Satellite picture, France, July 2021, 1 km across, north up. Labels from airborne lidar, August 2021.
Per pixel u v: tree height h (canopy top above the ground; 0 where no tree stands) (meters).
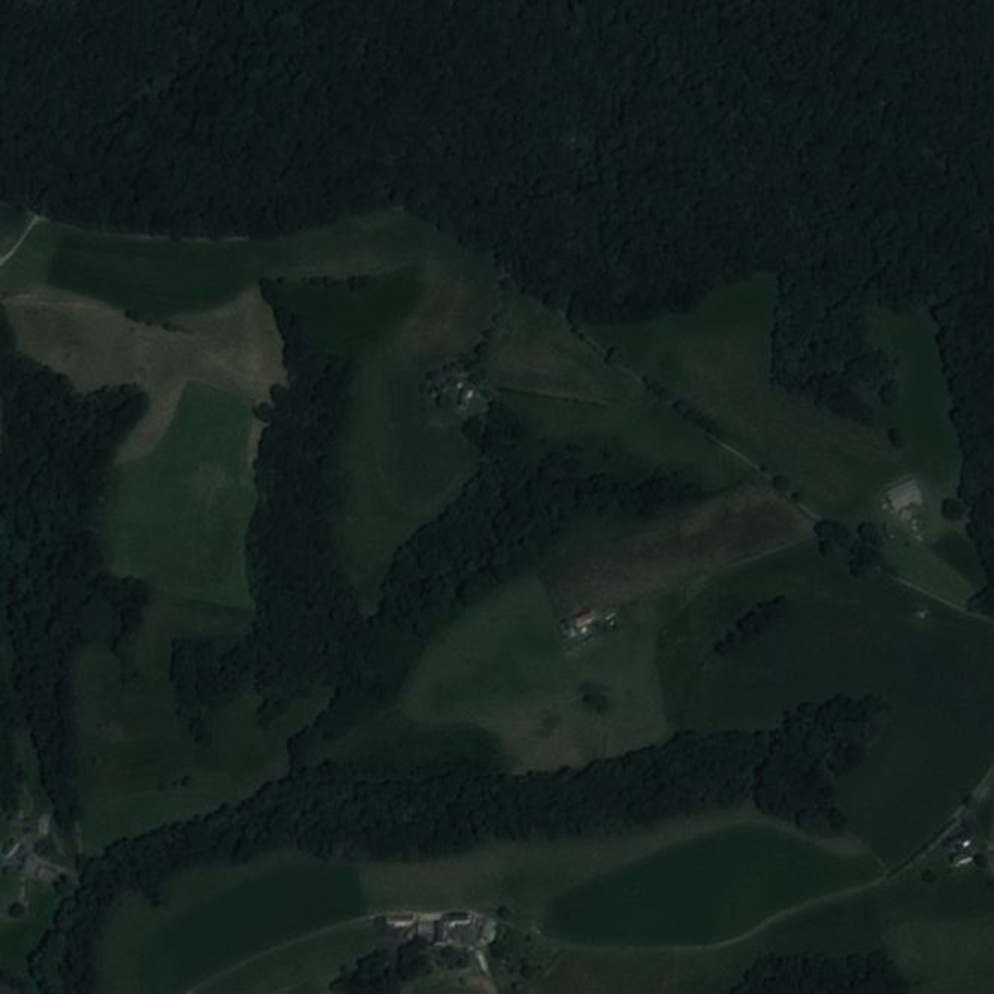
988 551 14
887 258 24
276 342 0
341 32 23
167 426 0
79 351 0
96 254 0
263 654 9
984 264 16
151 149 20
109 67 23
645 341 0
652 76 23
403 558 11
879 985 18
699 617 0
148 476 0
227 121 16
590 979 0
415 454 0
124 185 21
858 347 17
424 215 15
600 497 29
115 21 10
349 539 0
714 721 0
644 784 18
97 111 24
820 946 0
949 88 21
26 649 16
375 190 17
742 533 0
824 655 0
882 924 0
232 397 0
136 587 17
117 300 0
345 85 19
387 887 0
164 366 0
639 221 19
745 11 16
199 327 0
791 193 19
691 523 0
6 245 0
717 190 16
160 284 0
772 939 0
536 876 0
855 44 25
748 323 0
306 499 19
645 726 0
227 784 0
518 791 24
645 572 0
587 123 20
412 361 0
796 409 0
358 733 0
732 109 20
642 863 0
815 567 0
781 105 21
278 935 0
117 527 0
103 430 27
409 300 0
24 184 16
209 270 0
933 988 0
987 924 0
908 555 0
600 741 0
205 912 0
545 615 0
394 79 22
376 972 26
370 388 0
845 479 0
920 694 0
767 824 0
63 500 21
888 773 0
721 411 0
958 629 0
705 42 20
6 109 24
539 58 16
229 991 0
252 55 25
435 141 23
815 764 20
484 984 0
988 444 24
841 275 25
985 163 21
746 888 0
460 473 0
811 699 0
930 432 0
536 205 23
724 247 22
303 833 25
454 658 0
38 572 23
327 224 9
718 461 0
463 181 19
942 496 0
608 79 15
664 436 0
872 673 0
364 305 0
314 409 26
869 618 0
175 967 0
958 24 21
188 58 25
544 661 0
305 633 21
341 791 22
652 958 0
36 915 0
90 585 7
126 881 19
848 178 21
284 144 23
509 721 0
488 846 13
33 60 25
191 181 19
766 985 20
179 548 0
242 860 15
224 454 0
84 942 19
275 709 21
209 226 23
